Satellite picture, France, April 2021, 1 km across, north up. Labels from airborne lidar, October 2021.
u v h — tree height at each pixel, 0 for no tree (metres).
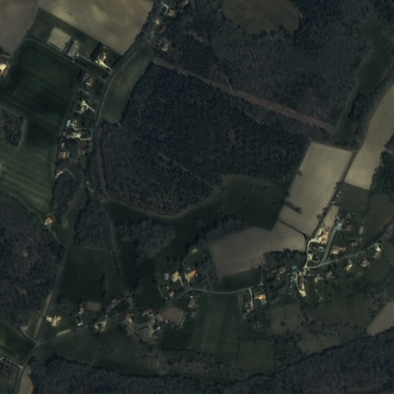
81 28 0
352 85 18
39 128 0
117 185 16
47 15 0
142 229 15
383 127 0
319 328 16
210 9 17
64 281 0
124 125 16
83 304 11
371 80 0
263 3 0
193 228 0
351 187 0
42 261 20
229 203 0
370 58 0
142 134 12
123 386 21
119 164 17
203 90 22
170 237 23
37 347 0
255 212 0
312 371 23
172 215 9
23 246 13
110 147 15
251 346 0
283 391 19
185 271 14
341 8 18
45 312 0
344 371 14
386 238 9
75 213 0
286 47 17
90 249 17
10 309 26
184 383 22
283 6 0
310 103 18
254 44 24
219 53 17
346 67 18
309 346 0
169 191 20
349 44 15
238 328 0
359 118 12
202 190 16
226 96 12
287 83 12
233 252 0
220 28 17
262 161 20
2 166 0
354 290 0
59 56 0
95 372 17
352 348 15
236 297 0
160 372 0
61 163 13
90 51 0
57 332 0
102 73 0
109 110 0
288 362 7
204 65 13
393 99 0
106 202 0
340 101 13
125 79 0
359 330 15
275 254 10
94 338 0
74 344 0
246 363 0
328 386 16
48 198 0
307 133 17
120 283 0
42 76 0
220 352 0
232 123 17
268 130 21
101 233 27
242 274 0
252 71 15
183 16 17
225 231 16
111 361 0
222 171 22
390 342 14
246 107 24
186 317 7
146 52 0
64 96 0
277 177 17
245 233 0
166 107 9
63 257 22
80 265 0
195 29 19
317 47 12
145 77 10
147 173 18
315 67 17
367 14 19
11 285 15
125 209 0
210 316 0
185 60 13
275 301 12
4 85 0
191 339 0
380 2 17
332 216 0
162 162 21
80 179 19
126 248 0
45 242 18
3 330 0
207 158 20
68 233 0
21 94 0
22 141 0
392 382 12
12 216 15
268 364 0
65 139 9
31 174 0
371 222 0
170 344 0
